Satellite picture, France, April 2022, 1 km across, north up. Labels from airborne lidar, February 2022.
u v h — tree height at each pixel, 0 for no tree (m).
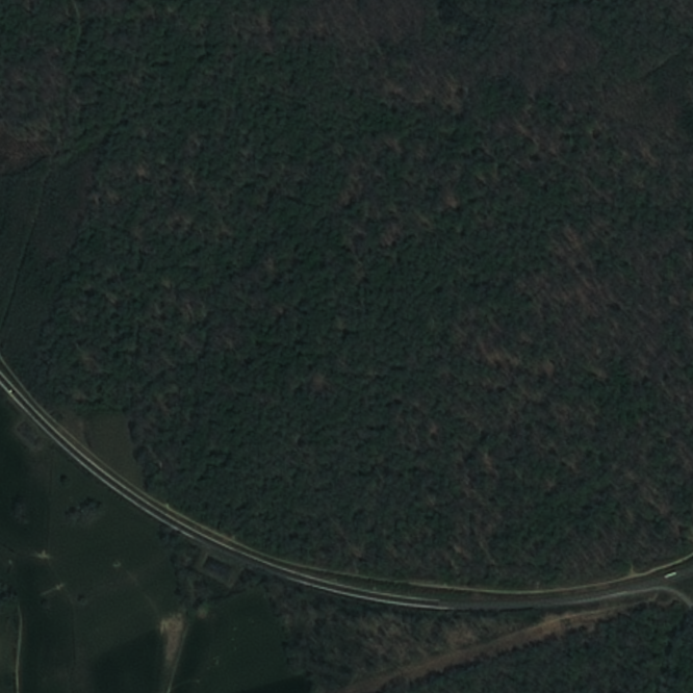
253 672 0
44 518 0
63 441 0
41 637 0
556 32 29
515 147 25
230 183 23
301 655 21
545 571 23
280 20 20
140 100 23
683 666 24
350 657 22
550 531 24
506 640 0
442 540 29
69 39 26
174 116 25
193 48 23
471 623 0
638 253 27
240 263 24
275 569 0
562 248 28
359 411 25
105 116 24
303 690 0
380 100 25
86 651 0
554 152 27
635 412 23
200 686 0
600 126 22
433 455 26
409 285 25
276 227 23
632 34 25
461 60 26
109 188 25
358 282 28
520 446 29
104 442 0
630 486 28
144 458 23
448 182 31
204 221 23
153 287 25
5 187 12
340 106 26
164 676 0
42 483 0
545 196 25
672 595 0
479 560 26
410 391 23
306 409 24
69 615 0
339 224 23
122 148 24
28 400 0
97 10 29
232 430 26
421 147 24
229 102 26
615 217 23
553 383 29
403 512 28
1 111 27
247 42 24
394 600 0
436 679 21
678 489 28
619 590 0
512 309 26
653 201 27
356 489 26
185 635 0
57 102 27
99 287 25
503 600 0
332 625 27
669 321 28
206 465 28
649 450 27
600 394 29
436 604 0
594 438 28
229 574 0
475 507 29
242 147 26
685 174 23
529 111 25
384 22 30
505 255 24
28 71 28
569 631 0
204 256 22
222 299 25
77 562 0
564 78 27
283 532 26
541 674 24
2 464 0
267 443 27
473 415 29
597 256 27
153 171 23
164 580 0
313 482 26
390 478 24
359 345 28
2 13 26
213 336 27
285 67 20
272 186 24
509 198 28
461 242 26
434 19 28
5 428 0
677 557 23
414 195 28
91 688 0
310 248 23
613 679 31
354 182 28
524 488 30
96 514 21
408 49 23
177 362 24
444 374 27
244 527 27
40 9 28
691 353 28
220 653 0
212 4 25
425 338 22
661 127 0
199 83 25
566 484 25
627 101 0
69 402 23
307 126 24
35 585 0
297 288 22
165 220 24
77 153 23
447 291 23
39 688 0
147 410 29
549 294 29
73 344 25
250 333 26
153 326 21
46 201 12
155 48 25
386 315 25
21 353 14
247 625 0
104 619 0
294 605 26
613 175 27
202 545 0
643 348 28
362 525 26
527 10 26
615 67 26
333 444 24
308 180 29
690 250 25
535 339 28
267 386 26
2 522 0
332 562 22
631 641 31
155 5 25
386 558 29
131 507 0
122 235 24
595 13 29
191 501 29
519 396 25
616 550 26
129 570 0
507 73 28
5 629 0
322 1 31
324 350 24
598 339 28
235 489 27
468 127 25
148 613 0
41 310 13
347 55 24
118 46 26
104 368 23
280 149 24
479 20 21
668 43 28
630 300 30
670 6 25
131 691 0
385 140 28
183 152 26
